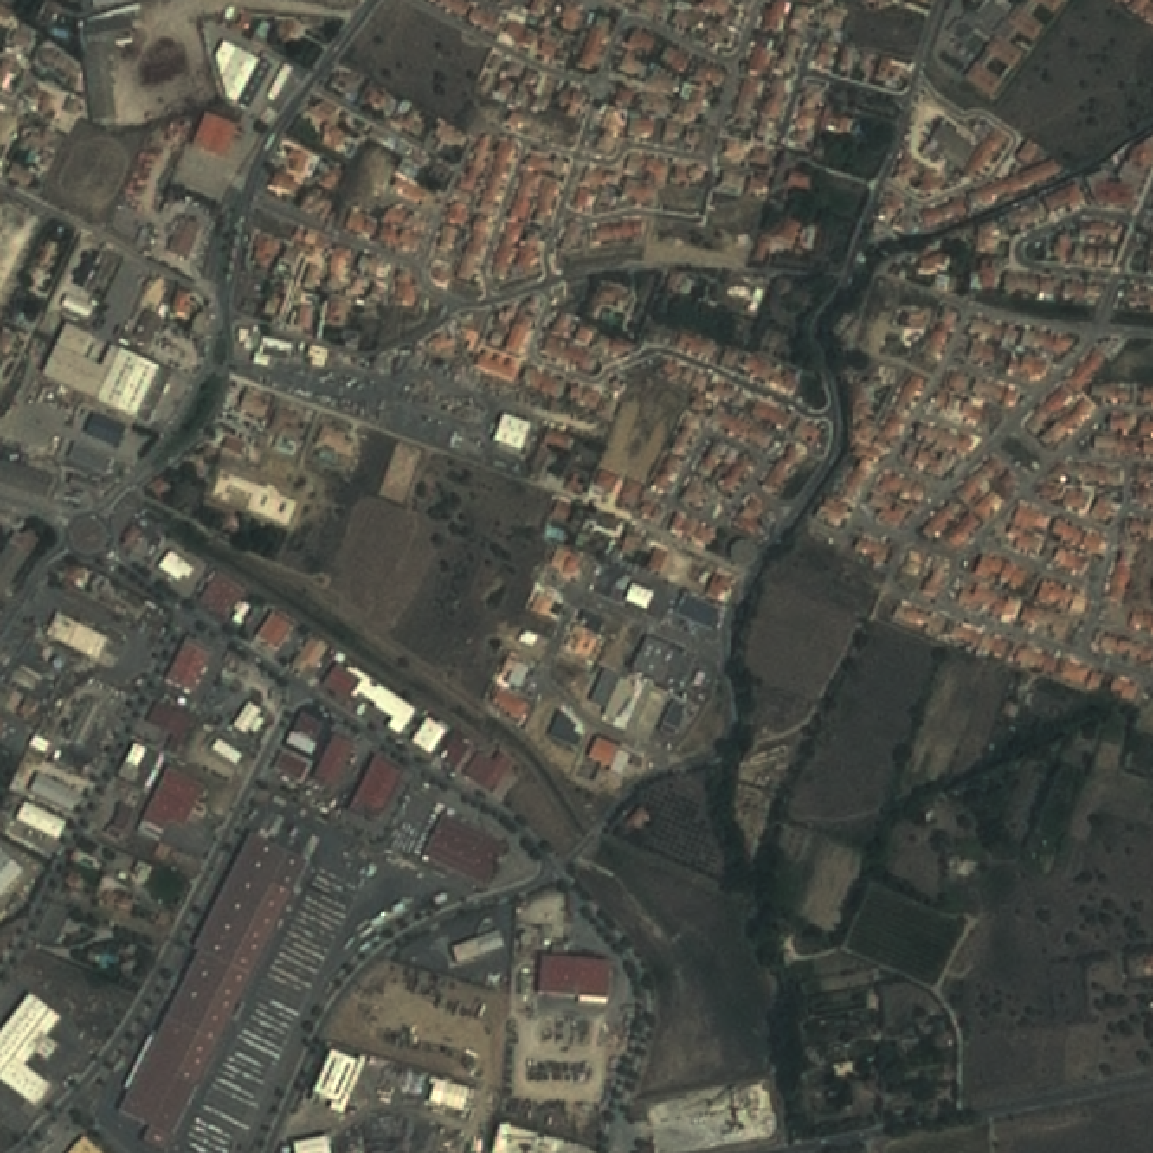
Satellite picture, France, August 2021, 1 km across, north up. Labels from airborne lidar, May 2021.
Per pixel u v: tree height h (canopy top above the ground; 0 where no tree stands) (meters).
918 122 0
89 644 0
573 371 0
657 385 0
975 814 6
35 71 8
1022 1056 0
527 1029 0
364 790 0
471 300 0
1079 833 0
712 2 0
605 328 9
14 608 0
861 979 0
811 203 10
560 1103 0
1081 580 0
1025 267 0
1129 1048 0
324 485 0
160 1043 0
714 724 0
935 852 7
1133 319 0
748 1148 0
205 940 0
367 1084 0
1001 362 0
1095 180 0
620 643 0
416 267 0
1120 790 0
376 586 0
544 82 0
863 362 16
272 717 0
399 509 0
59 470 0
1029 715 6
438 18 0
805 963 0
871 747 0
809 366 17
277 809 0
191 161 0
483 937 0
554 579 0
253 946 0
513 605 0
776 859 18
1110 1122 0
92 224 0
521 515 0
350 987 0
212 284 0
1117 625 0
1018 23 0
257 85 0
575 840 0
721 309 7
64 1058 0
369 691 0
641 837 8
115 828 0
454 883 0
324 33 6
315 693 0
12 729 0
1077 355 0
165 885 0
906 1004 0
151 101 0
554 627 0
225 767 0
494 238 0
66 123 0
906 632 0
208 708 0
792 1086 17
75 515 0
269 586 0
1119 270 0
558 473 7
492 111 0
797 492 0
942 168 0
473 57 0
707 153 0
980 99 0
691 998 0
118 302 0
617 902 0
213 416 0
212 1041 0
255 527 9
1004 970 0
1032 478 0
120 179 0
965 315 0
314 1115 0
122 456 0
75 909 7
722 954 0
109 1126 0
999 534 0
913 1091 11
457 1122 0
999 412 0
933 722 0
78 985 0
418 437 0
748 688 10
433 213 0
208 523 9
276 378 0
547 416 0
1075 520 0
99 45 0
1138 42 0
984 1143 0
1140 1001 6
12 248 0
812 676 0
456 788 0
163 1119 0
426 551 0
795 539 13
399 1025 0
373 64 0
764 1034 0
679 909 0
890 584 0
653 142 0
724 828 9
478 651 0
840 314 14
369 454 0
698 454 0
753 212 0
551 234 0
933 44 0
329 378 0
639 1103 0
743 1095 0
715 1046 0
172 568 0
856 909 21
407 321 0
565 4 0
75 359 0
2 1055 0
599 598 0
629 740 0
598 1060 0
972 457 0
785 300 8
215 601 0
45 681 0
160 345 0
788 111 0
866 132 9
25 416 0
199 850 0
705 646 0
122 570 7
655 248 0
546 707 0
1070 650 0
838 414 0
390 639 0
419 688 0
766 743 0
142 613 0
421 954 0
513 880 0
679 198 0
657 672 0
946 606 0
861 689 0
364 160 0
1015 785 7
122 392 0
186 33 0
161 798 0
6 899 0
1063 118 0
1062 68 0
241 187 0
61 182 0
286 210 0
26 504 0
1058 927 0
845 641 0
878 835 6
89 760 0
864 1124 6
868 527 0
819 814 0
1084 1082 0
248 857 0
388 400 0
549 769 0
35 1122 0
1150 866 0
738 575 0
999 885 0
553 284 0
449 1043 0
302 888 0
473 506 0
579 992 0
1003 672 0
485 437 0
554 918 0
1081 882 7
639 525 0
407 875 0
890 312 0
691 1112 0
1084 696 7
